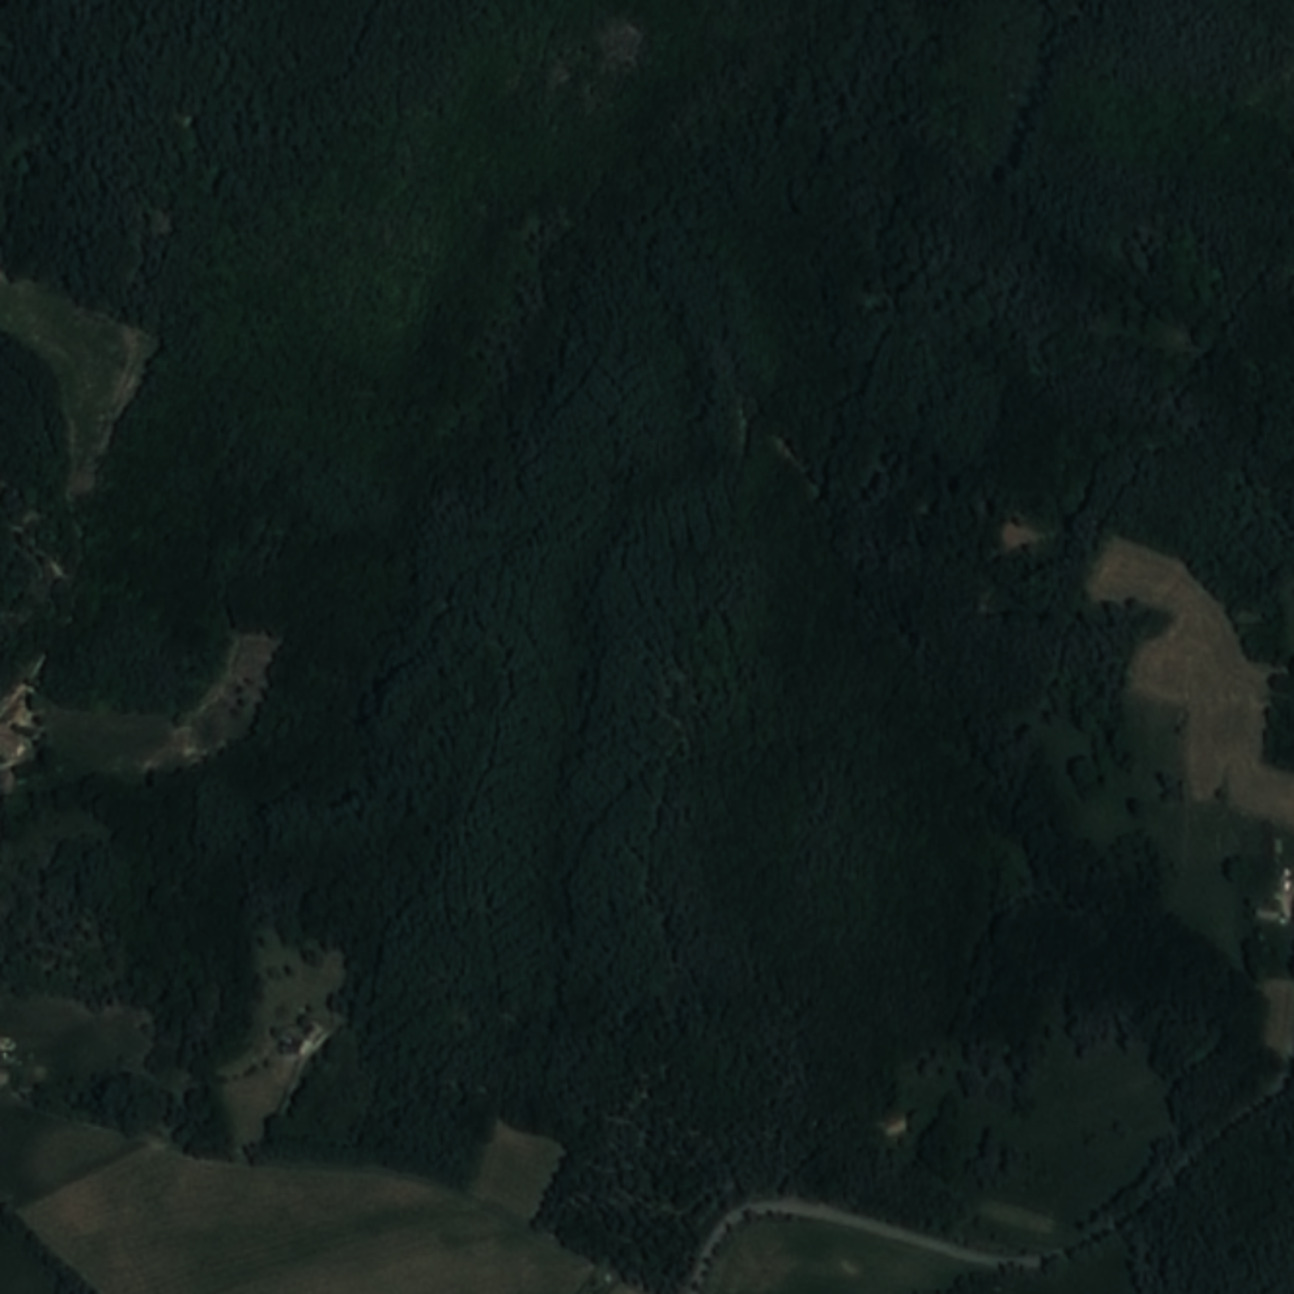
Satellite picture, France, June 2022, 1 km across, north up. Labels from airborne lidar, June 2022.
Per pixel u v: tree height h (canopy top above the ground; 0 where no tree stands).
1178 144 13
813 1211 0
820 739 22
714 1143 16
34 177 11
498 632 19
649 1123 8
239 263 17
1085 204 35
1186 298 17
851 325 22
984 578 19
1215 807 0
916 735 32
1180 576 0
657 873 13
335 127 13
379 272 14
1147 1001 19
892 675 29
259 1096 0
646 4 17
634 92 11
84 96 21
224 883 19
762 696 17
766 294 17
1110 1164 0
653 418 21
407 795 23
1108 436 15
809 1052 14
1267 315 15
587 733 19
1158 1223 21
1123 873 13
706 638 12
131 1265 0
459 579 15
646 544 20
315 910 16
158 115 20
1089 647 17
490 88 18
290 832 29
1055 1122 0
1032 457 18
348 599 19
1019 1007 20
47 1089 15
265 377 19
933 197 20
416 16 25
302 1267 0
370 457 13
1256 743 0
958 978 28
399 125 13
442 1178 15
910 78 22
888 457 14
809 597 29
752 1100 13
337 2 14
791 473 23
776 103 14
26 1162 0
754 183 7
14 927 9
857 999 20
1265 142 13
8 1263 0
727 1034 18
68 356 0
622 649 18
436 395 19
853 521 17
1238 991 28
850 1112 15
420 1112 16
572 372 20
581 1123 15
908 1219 14
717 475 15
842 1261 0
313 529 17
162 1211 0
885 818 24
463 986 17
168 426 15
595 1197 17
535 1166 0
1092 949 26
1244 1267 18
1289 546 19
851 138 20
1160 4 19
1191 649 0
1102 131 12
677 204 9
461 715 11
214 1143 15
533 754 19
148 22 25
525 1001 21
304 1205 0
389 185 17
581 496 17
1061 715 7
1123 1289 0
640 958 19
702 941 18
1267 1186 19
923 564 18
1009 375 17
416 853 11
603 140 15
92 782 15
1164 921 21
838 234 22
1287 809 0
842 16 23
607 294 16
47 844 0
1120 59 15
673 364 22
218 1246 0
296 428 17
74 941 13
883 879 22
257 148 30
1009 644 21
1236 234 21
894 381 22
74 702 17
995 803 19
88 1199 0
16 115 14
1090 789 16
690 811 15
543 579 17
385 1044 11
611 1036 9
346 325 14
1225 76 16
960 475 19
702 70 22
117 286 21
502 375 15
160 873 9
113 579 12
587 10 15
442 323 20
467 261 19
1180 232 14
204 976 16
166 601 18
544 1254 0
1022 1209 0
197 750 0
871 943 21
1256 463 21
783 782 23
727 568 10
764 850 19
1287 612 9
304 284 12
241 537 13
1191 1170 15
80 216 26
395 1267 0
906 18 22
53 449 12
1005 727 18
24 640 7
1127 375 19
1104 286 20
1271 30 20
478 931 16
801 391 20
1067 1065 0
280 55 9
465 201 16
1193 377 16
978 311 17
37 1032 0
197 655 16
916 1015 23
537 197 17
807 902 21
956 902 22
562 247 18
